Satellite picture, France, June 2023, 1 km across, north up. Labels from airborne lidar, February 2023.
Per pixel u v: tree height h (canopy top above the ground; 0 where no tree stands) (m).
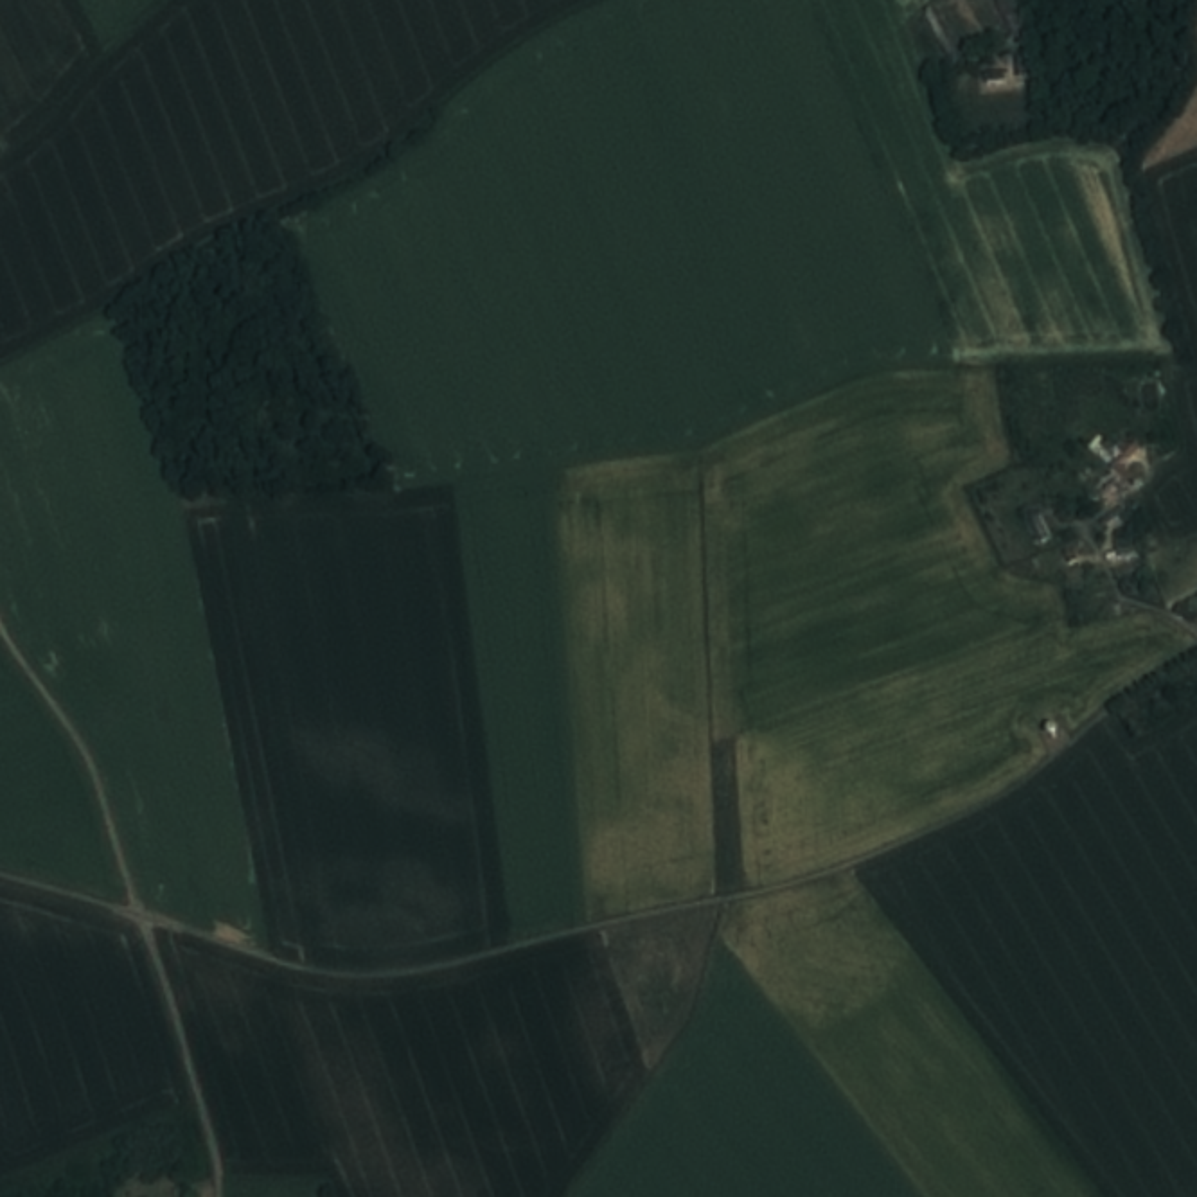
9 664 0
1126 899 0
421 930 0
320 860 0
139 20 0
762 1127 0
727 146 0
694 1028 0
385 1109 0
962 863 0
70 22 0
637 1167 0
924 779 0
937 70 17
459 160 0
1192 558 0
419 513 0
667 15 0
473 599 0
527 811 0
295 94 0
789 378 0
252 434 22
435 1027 0
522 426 0
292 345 19
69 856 0
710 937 0
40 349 0
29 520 0
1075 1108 0
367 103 0
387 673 0
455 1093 0
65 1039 0
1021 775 0
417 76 0
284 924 0
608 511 0
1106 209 0
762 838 0
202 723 0
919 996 0
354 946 0
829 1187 0
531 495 0
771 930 0
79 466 0
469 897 0
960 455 0
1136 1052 0
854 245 0
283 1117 0
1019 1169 0
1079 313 0
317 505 0
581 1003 0
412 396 0
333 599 0
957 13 0
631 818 0
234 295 22
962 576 0
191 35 0
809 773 0
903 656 0
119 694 0
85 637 0
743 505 0
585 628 0
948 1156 0
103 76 0
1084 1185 0
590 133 0
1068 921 0
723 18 0
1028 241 0
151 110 0
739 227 0
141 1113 0
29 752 0
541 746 0
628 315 0
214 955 0
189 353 21
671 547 0
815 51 0
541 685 0
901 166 0
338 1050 0
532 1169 0
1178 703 12
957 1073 0
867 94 0
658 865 0
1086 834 0
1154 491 0
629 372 0
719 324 0
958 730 0
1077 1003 0
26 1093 0
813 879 0
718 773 0
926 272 0
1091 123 23
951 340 0
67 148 0
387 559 0
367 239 0
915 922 0
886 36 0
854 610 0
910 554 0
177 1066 0
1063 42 22
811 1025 0
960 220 0
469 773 0
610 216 0
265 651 0
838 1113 0
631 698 0
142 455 0
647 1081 0
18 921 0
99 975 0
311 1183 0
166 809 0
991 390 0
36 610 0
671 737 0
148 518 0
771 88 0
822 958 0
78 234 0
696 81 0
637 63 0
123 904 0
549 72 0
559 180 0
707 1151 0
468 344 0
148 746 0
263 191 0
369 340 0
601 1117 0
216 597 0
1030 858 0
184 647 0
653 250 0
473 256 0
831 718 0
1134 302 0
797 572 0
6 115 0
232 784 0
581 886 0
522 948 0
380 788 0
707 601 0
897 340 0
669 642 0
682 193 0
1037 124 9
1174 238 0
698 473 0
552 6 0
